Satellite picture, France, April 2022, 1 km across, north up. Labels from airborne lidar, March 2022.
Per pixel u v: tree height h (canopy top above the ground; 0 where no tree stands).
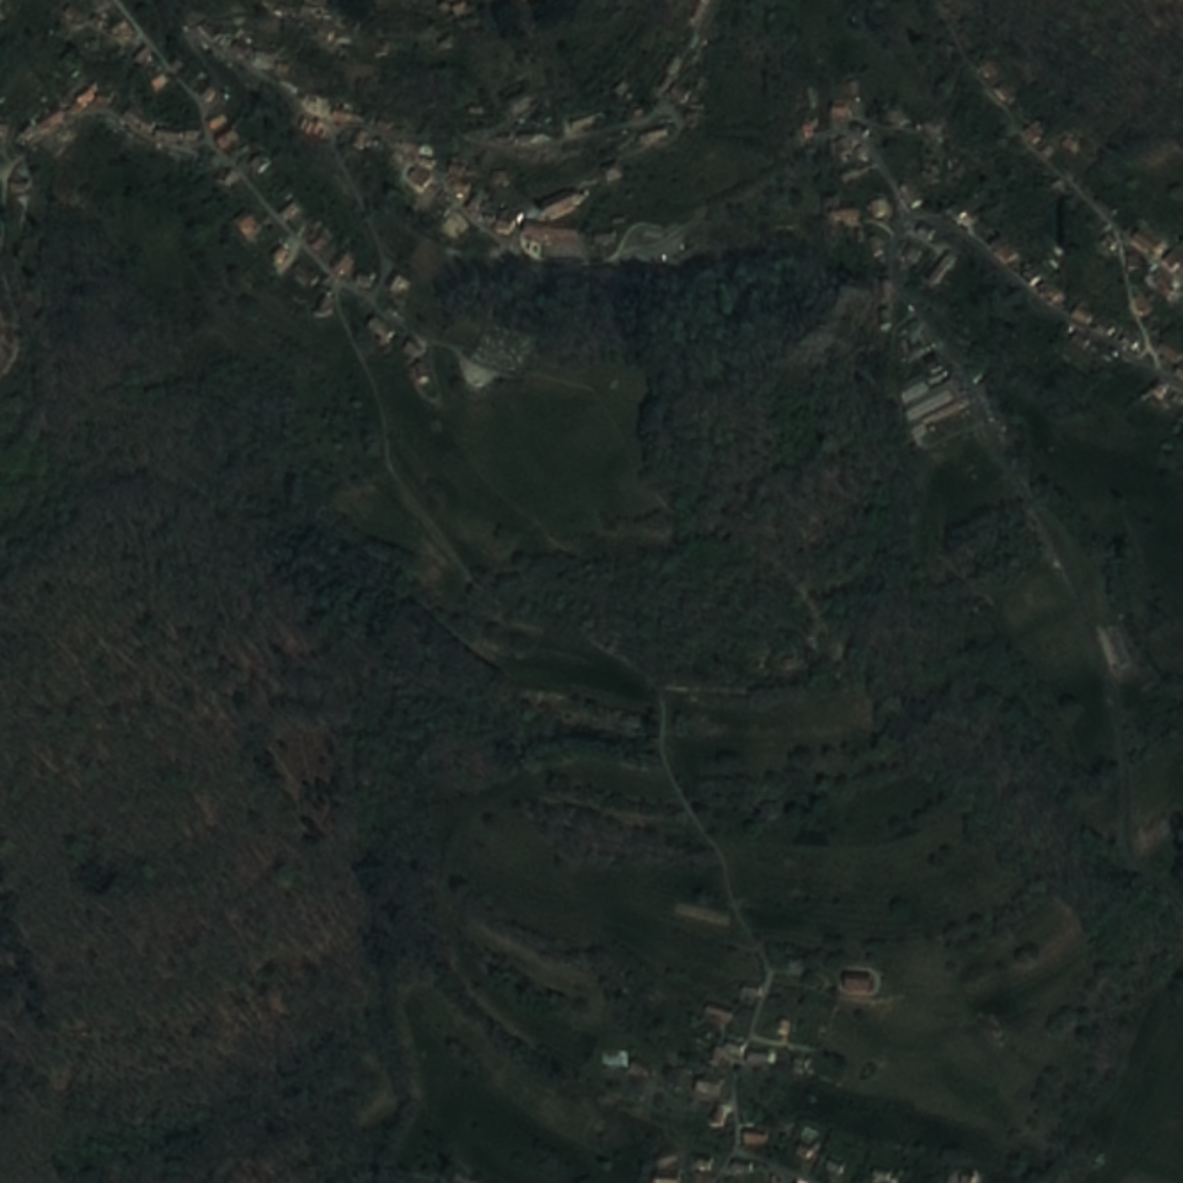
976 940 11
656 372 18
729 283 25
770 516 26
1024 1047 0
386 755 25
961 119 9
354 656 24
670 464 16
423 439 0
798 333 15
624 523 6
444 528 0
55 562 24
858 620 25
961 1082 0
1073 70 30
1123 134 7
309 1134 24
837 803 0
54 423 22
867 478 27
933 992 0
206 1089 19
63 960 20
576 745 27
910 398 0
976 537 13
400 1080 22
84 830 23
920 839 0
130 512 32
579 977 0
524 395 0
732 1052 0
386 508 0
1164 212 0
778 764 0
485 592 18
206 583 24
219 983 20
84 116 0
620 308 27
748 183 7
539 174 0
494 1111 0
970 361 8
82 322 25
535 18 17
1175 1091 0
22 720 24
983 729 32
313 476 13
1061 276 7
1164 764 0
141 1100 19
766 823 8
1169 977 13
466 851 0
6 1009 25
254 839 16
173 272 0
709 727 0
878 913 0
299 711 28
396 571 23
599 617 19
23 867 23
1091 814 0
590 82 6
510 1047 20
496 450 0
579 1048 0
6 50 10
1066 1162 15
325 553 26
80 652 23
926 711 32
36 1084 24
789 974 0
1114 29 27
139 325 31
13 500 19
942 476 0
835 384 18
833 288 14
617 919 0
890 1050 0
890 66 0
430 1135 7
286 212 0
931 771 16
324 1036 26
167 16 10
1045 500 12
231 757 21
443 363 0
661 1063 0
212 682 24
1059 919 0
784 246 22
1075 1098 16
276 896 27
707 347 30
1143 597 0
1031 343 0
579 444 0
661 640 20
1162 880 0
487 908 14
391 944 33
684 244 0
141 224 0
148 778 23
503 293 28
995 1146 0
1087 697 0
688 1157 0
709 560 21
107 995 21
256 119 7
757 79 0
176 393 23
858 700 0
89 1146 17
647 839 18
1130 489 0
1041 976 0
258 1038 23
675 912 0
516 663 0
